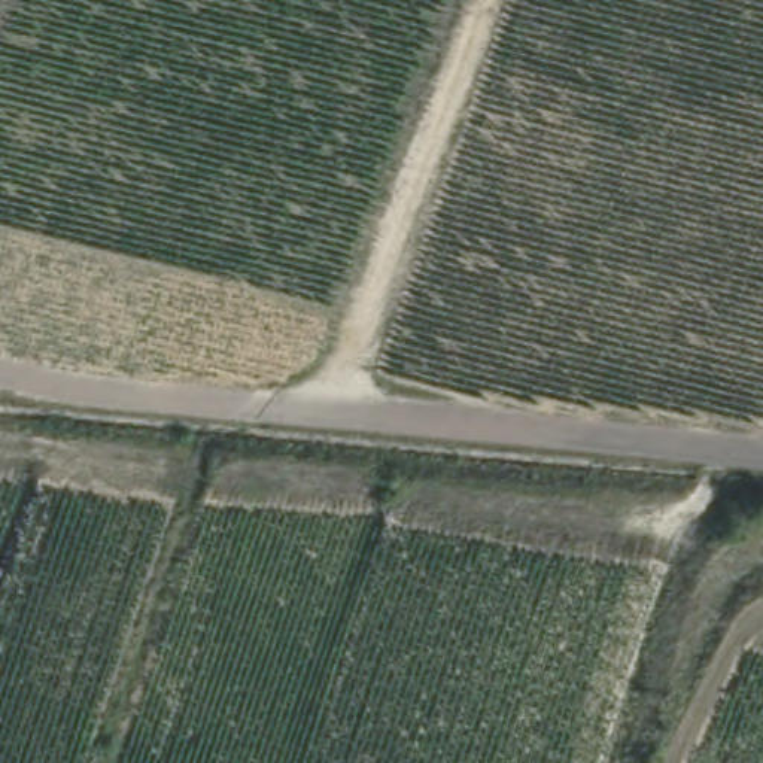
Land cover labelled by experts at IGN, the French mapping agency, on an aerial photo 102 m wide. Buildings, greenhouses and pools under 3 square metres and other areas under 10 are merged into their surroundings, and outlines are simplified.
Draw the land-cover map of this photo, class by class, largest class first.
<instances>
[{"label":"vineyard","instance_id":"1","mask_svg":"<svg viewBox=\"0 0 763 763\"><path fill-rule=\"evenodd\" d=\"M468 0H0V358H30L39 361L45 370L63 361H107L125 376L158 373L170 384L206 379L215 387L235 390L295 387L316 379L337 352L343 319L352 307V289L364 280L379 235V218L390 203L396 173L417 131V122L429 107L435 77L450 54ZM379 390L438 402L453 399V405L489 411H501V405L525 399L534 402L531 408L536 414L554 417L599 420L605 414L617 423L674 426L697 435H709L712 429L751 432V438H763V0H501L492 39L474 72V83L459 107L453 131L438 158L435 179L429 182V191L423 194L414 212L411 232L399 250V262L384 298L379 352L367 370ZM384 525H399V516L393 513L382 519L373 513L331 516L286 510H238L209 507L206 501L197 504L191 498L185 504L176 501L173 510H161L152 501H110L95 492H69L33 486L24 480H0V763H608L617 742L626 691L644 647L647 623L665 584L662 572H650V581H626V566L617 563L504 548L495 542L441 536L426 531H411L405 539H387ZM691 763H763V656L745 653L739 659V668L727 683V691L718 700L712 724L703 742L694 748Z\"/></svg>","mask_w":763,"mask_h":763},{"label":"herbaceous vegetation","instance_id":"2","mask_svg":"<svg viewBox=\"0 0 763 763\"><path fill-rule=\"evenodd\" d=\"M0 480H24L33 486L69 492H95L110 501H152L161 510H173L176 501L185 504L191 498L197 504L206 501L209 507L238 510H286L331 516L373 513L382 519L393 513L399 516V525H384L387 539H405L411 531H426L441 536L495 542L504 548L617 563L626 566V581H650V572H662L665 584L647 623L644 647L626 691L617 742L608 763H691L694 748L703 742L712 724L718 700L727 691V683L739 668V659L745 653L763 656V474H715L712 468L694 462L608 456L593 450L456 441L337 426L176 417L164 411L134 408L63 405L0 390Z\"/></svg>","mask_w":763,"mask_h":763},{"label":"impervious surface","instance_id":"3","mask_svg":"<svg viewBox=\"0 0 763 763\"><path fill-rule=\"evenodd\" d=\"M0 390L63 405L134 408L164 411L176 417L337 426L456 441L593 450L608 456L694 462L712 468L715 474H763V438H751V432L712 429L709 435H697L674 426L617 423L605 414L599 420L554 417L536 414L531 408L534 402L525 399L501 405V411H489L453 405V399L438 402L379 390L373 393V399H304L295 387L235 390L215 387L206 379L170 384L158 373L125 376L107 361H63L45 370L39 361L30 358H0Z\"/></svg>","mask_w":763,"mask_h":763},{"label":"pervious surface","instance_id":"4","mask_svg":"<svg viewBox=\"0 0 763 763\"><path fill-rule=\"evenodd\" d=\"M501 0H468L450 54L435 77L429 107L417 122V131L396 173L390 203L379 218V235L364 280L352 289V307L343 319L337 352L316 379L295 387L304 399H373V393L379 390L367 370L379 352L384 298L399 262V250L411 232L414 212L423 194L429 191V182L435 179L438 158L453 131L459 107L474 83V72L492 39Z\"/></svg>","mask_w":763,"mask_h":763}]
</instances>
